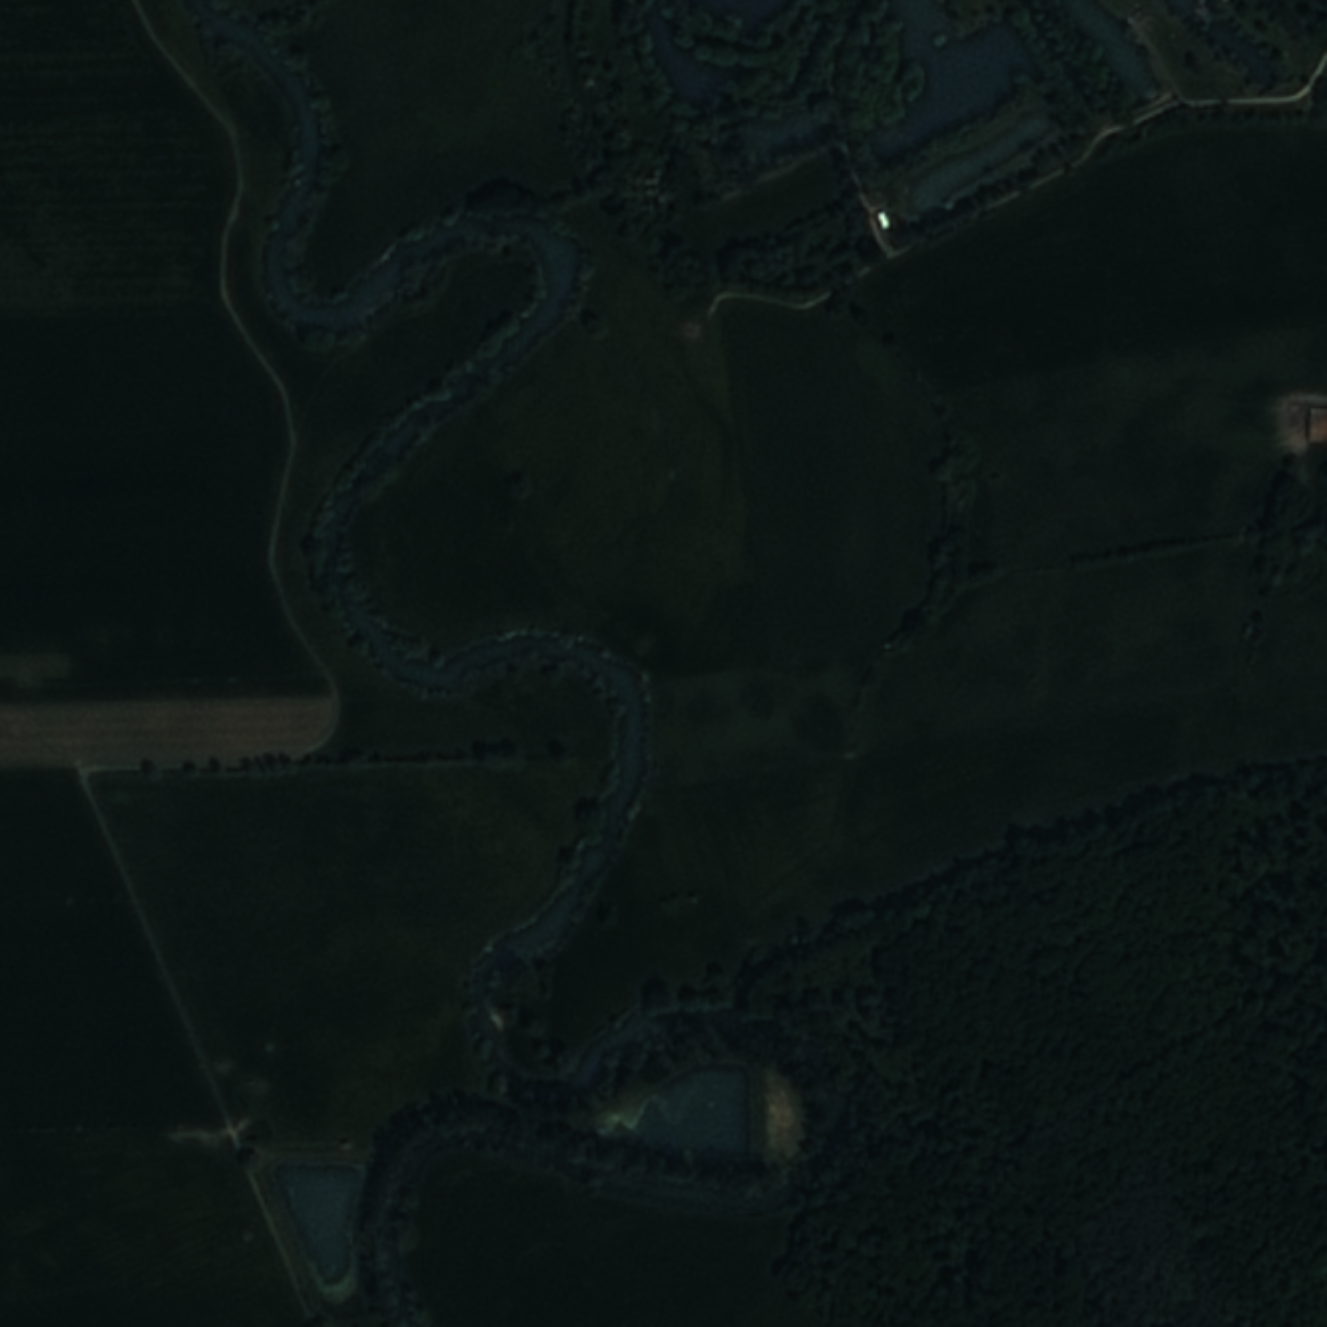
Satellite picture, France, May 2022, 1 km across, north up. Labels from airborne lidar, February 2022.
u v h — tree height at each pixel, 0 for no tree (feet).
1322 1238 77
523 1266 0
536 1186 0
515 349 0
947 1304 87
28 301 0
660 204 26
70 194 0
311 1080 0
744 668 0
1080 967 93
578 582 0
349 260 0
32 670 0
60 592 0
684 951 0
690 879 0
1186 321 0
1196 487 0
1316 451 0
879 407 0
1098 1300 78
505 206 38
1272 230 0
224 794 0
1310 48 0
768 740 0
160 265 0
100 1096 0
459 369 23
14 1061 0
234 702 0
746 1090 0
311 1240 0
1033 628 0
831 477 0
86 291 0
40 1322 0
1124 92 60
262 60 0
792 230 19
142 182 0
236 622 0
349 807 0
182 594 0
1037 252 0
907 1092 39
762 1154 0
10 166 0
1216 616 0
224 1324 0
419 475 0
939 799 0
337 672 0
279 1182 0
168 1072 0
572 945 0
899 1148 77
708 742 0
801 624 0
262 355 0
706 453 0
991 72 0
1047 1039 70
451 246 35
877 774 0
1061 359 0
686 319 0
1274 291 0
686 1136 0
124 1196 0
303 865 0
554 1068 59
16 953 0
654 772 0
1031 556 0
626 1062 46
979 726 0
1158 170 0
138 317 0
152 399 0
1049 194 0
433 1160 0
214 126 0
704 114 66
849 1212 84
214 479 0
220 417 0
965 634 0
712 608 0
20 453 0
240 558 0
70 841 0
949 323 0
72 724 0
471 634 0
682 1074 0
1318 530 54
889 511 0
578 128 33
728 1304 0
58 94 0
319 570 27
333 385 0
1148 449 0
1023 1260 88
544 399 0
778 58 57
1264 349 0
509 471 0
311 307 0
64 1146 0
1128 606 0
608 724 0
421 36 0
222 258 0
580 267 22
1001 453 0
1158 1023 81
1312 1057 69
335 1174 0
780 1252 0
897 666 0
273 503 0
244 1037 0
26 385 0
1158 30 0
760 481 0
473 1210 0
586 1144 47
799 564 0
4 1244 0
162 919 0
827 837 0
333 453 0
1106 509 0
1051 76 34
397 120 0
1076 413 0
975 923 85
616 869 0
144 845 0
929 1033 83
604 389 0
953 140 51
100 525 0
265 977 0
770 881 0
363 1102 0
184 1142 0
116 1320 0
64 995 0
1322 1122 90
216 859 0
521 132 0
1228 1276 81
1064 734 0
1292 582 18
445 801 0
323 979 0
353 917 0
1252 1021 53
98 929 0
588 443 0
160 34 0
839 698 0
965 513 18
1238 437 0
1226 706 0
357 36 0
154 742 0
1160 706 0
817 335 0
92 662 0
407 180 0
